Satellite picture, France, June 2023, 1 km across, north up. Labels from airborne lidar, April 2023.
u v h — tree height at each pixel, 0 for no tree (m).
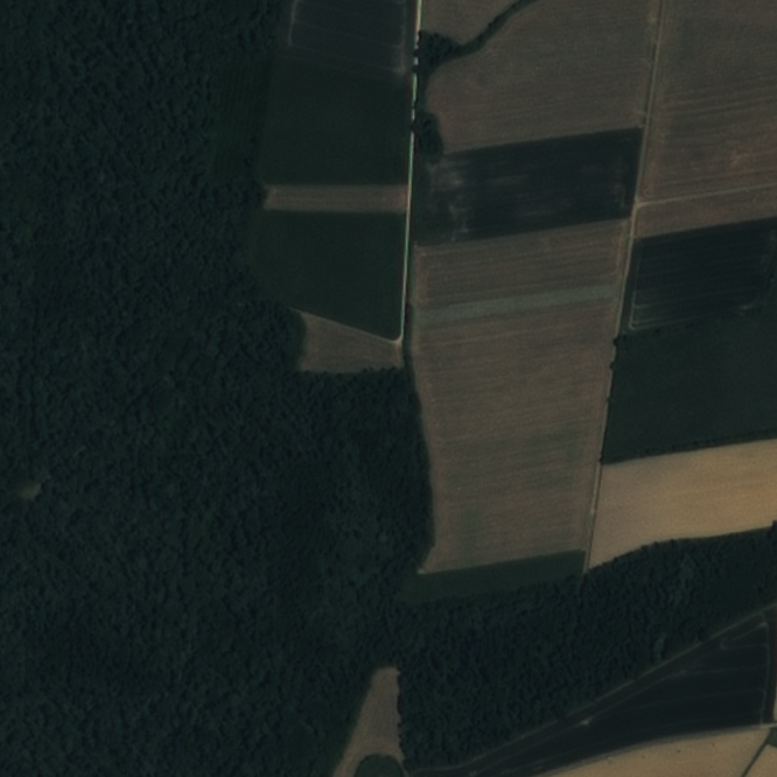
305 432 17
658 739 0
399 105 0
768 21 0
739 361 0
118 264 28
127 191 17
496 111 0
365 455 9
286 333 21
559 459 0
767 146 0
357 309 0
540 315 0
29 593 26
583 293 0
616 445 0
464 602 7
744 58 0
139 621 11
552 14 0
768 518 0
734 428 0
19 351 24
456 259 0
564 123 0
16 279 26
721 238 0
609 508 0
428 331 0
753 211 0
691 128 0
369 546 6
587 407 0
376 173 0
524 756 0
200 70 21
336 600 10
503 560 0
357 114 0
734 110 0
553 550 0
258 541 22
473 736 16
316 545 9
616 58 0
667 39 0
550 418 0
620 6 0
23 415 25
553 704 25
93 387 29
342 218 0
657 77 0
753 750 0
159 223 22
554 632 20
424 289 0
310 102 0
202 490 35
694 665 0
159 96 25
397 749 0
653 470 0
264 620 26
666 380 0
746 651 0
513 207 0
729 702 0
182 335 21
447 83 0
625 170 0
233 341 28
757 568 12
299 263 0
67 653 8
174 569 25
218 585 23
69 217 18
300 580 12
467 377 0
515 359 0
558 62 0
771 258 0
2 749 22
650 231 0
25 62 17
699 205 0
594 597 18
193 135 20
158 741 28
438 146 15
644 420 0
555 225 0
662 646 18
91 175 24
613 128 0
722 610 9
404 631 20
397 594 14
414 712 20
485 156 0
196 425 12
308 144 0
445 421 0
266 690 24
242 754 21
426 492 14
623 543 0
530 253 0
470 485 0
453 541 0
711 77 0
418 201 0
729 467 0
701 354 0
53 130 28
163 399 30
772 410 0
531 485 0
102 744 30
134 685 15
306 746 27
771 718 0
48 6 29
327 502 8
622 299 0
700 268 0
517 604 13
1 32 24
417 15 0
